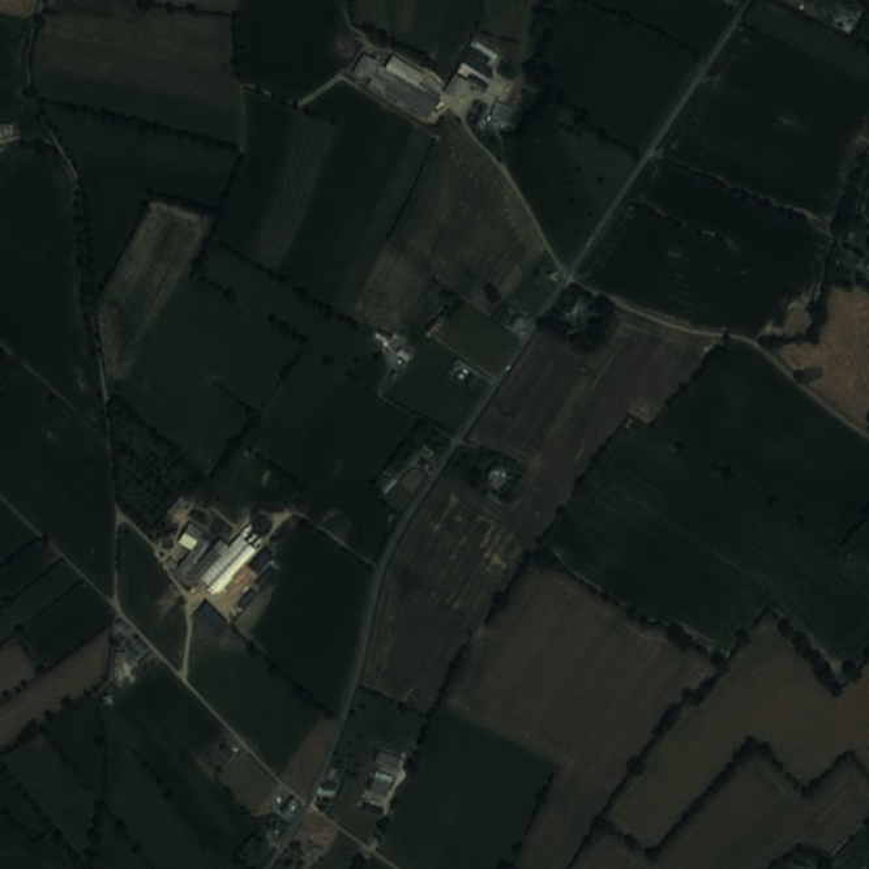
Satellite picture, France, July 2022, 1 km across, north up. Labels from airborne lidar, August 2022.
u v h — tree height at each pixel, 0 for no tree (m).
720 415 0
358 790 0
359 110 0
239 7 0
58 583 0
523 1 0
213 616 0
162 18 0
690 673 0
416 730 0
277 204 0
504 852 0
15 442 0
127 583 0
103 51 0
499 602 18
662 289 0
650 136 0
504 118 0
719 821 0
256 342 0
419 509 0
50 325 0
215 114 0
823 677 19
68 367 0
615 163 0
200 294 0
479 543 0
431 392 0
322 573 0
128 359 0
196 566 0
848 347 0
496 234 0
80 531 0
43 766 0
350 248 0
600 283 0
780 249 0
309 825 0
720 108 0
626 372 0
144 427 12
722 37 0
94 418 0
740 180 0
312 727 0
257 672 0
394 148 0
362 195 0
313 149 0
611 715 0
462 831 0
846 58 0
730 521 0
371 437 0
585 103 0
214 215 11
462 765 0
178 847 0
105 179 0
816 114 0
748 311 0
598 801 0
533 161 0
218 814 0
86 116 13
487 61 0
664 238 0
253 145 0
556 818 0
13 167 0
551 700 0
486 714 0
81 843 0
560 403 0
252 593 0
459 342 0
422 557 0
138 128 15
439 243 0
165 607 0
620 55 0
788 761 0
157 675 0
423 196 0
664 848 7
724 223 0
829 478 0
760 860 0
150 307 0
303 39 0
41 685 0
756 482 0
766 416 0
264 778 0
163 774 0
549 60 5
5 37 0
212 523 0
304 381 0
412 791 0
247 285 0
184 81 0
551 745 0
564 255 0
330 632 0
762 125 0
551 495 0
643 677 0
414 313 0
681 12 0
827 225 0
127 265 0
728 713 0
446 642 0
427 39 0
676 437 0
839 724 0
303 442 0
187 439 0
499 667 0
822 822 0
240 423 0
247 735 0
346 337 0
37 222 0
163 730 0
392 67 0
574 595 0
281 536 0
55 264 0
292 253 0
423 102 0
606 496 0
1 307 0
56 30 0
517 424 0
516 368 0
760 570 0
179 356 0
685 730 0
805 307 0
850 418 0
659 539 0
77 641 0
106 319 0
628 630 0
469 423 0
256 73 0
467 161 0
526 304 0
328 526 0
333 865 0
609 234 0
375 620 0
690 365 0
